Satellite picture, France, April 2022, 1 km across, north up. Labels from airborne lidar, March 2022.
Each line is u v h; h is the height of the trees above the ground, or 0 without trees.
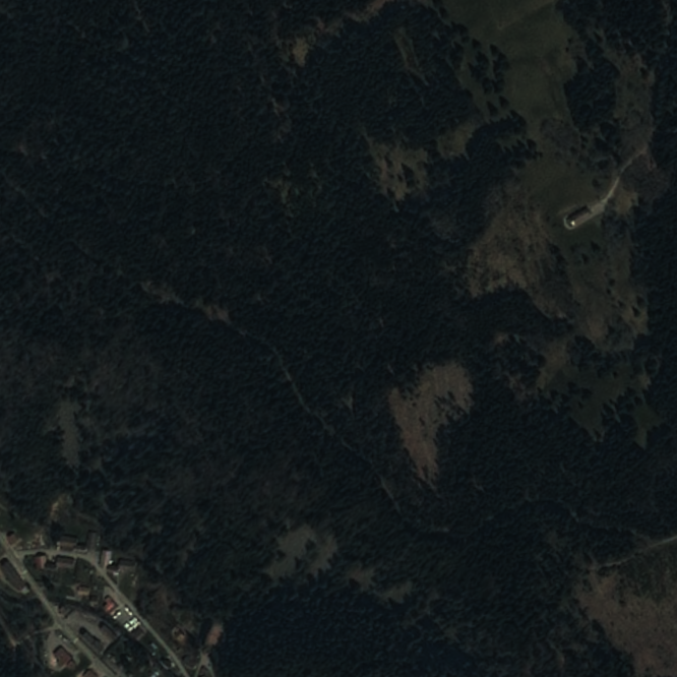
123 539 24
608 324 0
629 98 0
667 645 0
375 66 32
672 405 26
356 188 25
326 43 17
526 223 0
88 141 21
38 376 27
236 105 27
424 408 0
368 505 19
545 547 26
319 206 12
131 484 26
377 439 27
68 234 21
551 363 0
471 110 23
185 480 25
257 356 27
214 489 23
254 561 16
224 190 17
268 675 20
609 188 0
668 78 34
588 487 27
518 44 0
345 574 28
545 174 0
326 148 24
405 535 21
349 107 30
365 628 22
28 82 25
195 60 25
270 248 19
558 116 0
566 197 0
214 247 20
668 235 12
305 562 19
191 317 16
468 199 25
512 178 28
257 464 33
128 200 25
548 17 0
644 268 21
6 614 13
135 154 28
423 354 19
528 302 23
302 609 33
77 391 22
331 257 25
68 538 0
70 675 0
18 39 21
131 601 0
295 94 10
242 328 15
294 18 11
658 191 11
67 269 22
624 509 19
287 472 27
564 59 0
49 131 18
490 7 0
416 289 18
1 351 29
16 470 28
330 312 14
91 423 28
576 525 29
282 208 7
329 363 14
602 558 9
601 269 0
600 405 0
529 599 12
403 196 0
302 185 7
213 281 25
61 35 23
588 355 16
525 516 29
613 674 33
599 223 0
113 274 26
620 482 25
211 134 24
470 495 31
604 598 0
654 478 18
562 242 0
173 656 0
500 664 12
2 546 0
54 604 0
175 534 44
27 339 25
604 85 26
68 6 23
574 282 0
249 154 18
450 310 12
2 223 24
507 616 27
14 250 21
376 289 14
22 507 25
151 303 12
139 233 23
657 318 23
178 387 21
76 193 9
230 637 21
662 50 16
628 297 0
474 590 22
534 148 15
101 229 23
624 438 25
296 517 35
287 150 19
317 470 30
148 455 15
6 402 23
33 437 18
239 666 22
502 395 22
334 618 34
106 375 25
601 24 19
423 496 20
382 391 17
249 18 21
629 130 6
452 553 24
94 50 7
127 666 16
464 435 24
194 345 26
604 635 35
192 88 23
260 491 26
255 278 23
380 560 27
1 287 29
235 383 28
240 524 17
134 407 28
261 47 24
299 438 25
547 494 24
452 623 24
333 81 28
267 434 26
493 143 22
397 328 12
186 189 17
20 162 25
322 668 18
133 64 30
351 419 26
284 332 23
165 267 24
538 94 0
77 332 24
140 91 26
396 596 0
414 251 19
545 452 23
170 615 0
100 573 0
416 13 31
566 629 19
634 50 10
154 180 22
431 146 14
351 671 19
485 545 26
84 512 9
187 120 22
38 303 20
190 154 26
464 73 0
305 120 16
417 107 30
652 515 23
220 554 25
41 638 8
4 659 15
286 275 18
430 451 0
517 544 26
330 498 12
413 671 20
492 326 16
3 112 16
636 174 11
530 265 0
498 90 21
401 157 0
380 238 17
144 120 20
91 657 0
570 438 25
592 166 14
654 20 28
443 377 0
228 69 25
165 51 42
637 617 0
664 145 19
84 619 0
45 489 20
